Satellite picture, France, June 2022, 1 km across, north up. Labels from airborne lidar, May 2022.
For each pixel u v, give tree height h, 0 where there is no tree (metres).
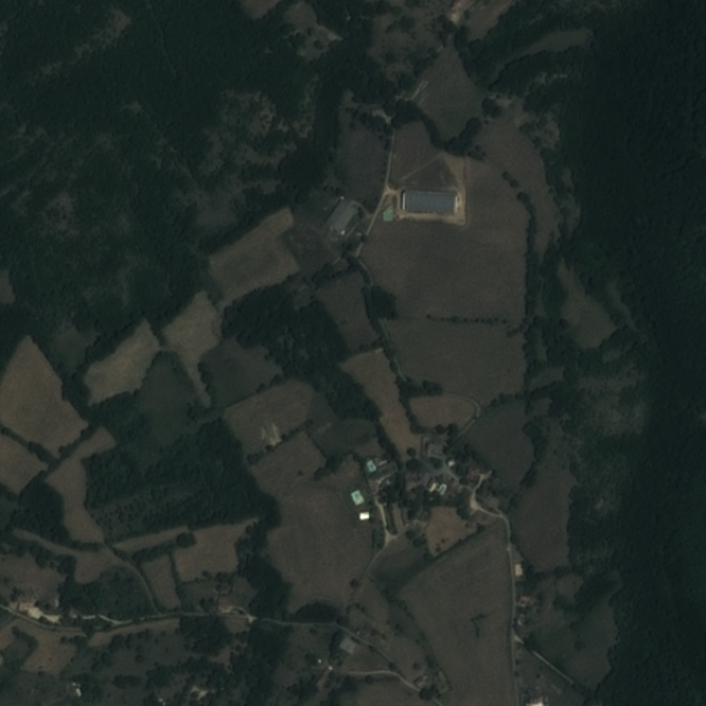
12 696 0
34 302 8
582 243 13
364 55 9
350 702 0
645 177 20
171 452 6
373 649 10
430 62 11
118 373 0
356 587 9
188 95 12
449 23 10
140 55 10
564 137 9
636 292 19
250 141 10
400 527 0
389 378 0
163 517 8
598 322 0
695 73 7
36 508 15
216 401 6
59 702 0
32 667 0
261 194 11
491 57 14
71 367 0
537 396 12
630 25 18
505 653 0
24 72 10
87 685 7
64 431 0
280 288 12
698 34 25
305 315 13
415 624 0
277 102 10
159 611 7
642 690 15
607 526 13
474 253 0
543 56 17
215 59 12
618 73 23
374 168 0
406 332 0
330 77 12
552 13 8
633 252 22
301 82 9
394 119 10
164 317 14
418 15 0
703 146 13
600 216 16
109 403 9
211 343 0
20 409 0
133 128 8
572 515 10
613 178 22
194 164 9
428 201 0
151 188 13
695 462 13
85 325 15
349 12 10
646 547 18
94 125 9
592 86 17
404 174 0
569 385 8
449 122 0
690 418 12
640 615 10
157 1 8
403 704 0
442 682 0
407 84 15
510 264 0
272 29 13
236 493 12
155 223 9
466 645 0
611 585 7
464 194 0
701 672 7
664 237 16
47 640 0
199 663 10
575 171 12
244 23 14
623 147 22
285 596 8
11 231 10
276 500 12
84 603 11
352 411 10
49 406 0
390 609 0
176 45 9
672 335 18
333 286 0
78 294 9
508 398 12
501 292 0
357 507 0
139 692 0
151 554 10
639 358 12
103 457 7
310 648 0
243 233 13
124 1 7
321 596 0
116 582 9
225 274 0
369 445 0
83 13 7
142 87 10
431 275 0
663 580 15
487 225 0
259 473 0
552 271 12
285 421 0
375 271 0
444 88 0
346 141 0
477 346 0
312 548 0
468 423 0
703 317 10
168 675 9
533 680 0
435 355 0
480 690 0
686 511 6
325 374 8
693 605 7
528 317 7
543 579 7
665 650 9
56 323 6
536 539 0
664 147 9
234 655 10
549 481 0
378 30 0
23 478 0
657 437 17
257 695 10
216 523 7
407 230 0
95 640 0
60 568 11
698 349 12
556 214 0
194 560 0
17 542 11
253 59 11
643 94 22
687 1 12
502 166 0
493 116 10
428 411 0
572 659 0
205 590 0
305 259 0
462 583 0
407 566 0
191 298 14
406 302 0
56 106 11
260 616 11
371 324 6
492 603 0
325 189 11
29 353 0
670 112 11
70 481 0
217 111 6
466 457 9
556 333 6
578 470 12
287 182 13
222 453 12
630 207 22
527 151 0
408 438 0
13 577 0
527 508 0
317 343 10
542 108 7
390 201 0
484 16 0
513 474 0
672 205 19
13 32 7
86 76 8
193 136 7
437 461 11
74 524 0
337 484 0
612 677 14
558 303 10
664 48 14
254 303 11
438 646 0
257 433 0
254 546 10
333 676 10
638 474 11
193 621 11
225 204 0
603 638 0
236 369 0
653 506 23
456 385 0
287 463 0
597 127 19
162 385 0
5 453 0
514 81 15
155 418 0
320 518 0
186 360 0
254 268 0
